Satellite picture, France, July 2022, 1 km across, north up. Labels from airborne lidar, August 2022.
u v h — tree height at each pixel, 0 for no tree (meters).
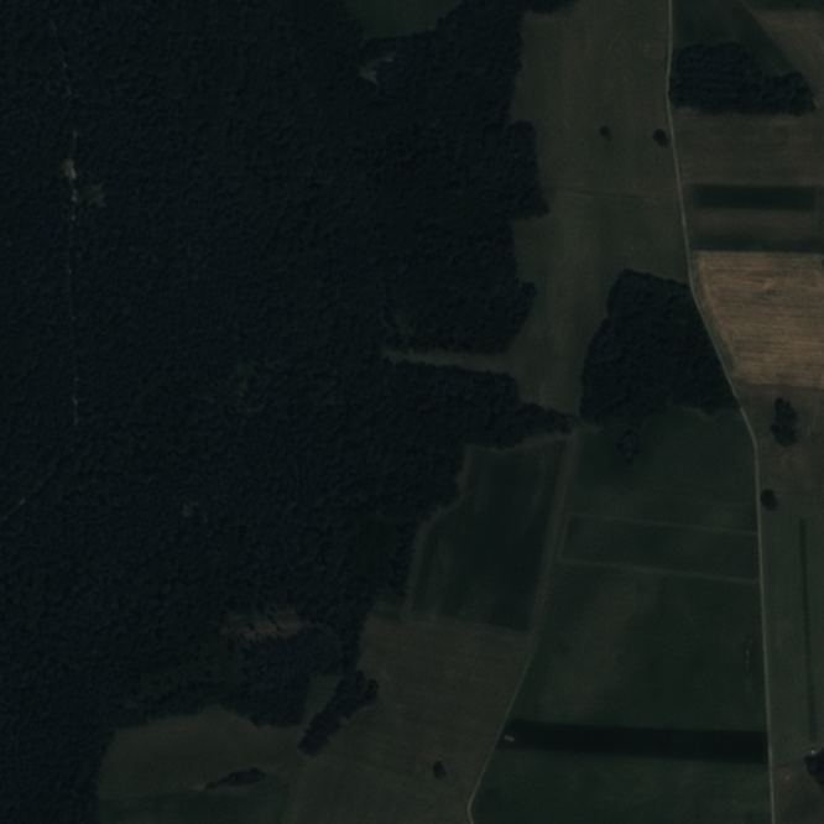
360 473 20
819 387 0
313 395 28
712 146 0
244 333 20
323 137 19
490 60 19
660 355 19
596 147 0
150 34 26
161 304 26
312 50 13
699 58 8
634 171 0
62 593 31
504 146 26
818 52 0
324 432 16
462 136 20
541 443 0
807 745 0
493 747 0
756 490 0
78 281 17
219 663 0
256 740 0
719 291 0
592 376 17
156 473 27
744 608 0
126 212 25
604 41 0
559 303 0
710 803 0
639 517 0
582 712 0
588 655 0
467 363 0
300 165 22
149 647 16
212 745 0
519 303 18
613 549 0
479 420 21
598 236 0
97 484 24
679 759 0
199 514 23
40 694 18
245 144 22
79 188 18
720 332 0
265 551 25
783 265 0
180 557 16
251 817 0
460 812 0
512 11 24
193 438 20
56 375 29
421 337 6
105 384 28
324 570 20
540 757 0
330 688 0
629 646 0
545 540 0
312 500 25
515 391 16
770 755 0
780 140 0
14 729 27
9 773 23
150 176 28
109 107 29
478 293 14
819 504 0
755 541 0
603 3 0
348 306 28
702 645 0
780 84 18
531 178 19
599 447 0
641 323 23
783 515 0
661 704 0
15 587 23
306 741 11
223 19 25
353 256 24
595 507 0
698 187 0
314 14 10
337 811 0
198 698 10
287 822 0
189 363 25
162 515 23
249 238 24
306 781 0
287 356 18
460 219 6
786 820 0
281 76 23
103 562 26
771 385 0
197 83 28
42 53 23
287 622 0
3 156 25
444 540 0
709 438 0
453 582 0
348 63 15
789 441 13
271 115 20
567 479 0
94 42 25
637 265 0
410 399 21
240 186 25
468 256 23
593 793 0
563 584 0
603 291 0
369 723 0
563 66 0
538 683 0
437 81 26
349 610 18
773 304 0
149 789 0
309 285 26
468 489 0
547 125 0
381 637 0
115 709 21
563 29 0
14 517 22
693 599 0
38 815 14
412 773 0
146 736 0
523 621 0
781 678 0
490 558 0
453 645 0
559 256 0
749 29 0
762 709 0
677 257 0
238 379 11
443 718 0
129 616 21
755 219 0
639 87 0
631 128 0
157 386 21
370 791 0
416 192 5
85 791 19
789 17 0
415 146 11
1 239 24
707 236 0
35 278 21
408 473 21
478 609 0
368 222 16
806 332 0
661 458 0
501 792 0
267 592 20
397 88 18
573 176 0
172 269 25
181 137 27
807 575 0
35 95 26
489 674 0
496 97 15
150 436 18
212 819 0
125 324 25
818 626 0
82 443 26
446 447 25
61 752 17
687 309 7
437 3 0
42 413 29
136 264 26
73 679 18
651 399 23
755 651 0
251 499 29
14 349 23
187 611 17
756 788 0
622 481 0
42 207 20
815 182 0
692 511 0
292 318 24
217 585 16
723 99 12
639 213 0
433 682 0
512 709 0
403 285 21
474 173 7
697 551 0
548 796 0
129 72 23
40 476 17
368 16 0
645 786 0
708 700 0
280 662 24
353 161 18
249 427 29
